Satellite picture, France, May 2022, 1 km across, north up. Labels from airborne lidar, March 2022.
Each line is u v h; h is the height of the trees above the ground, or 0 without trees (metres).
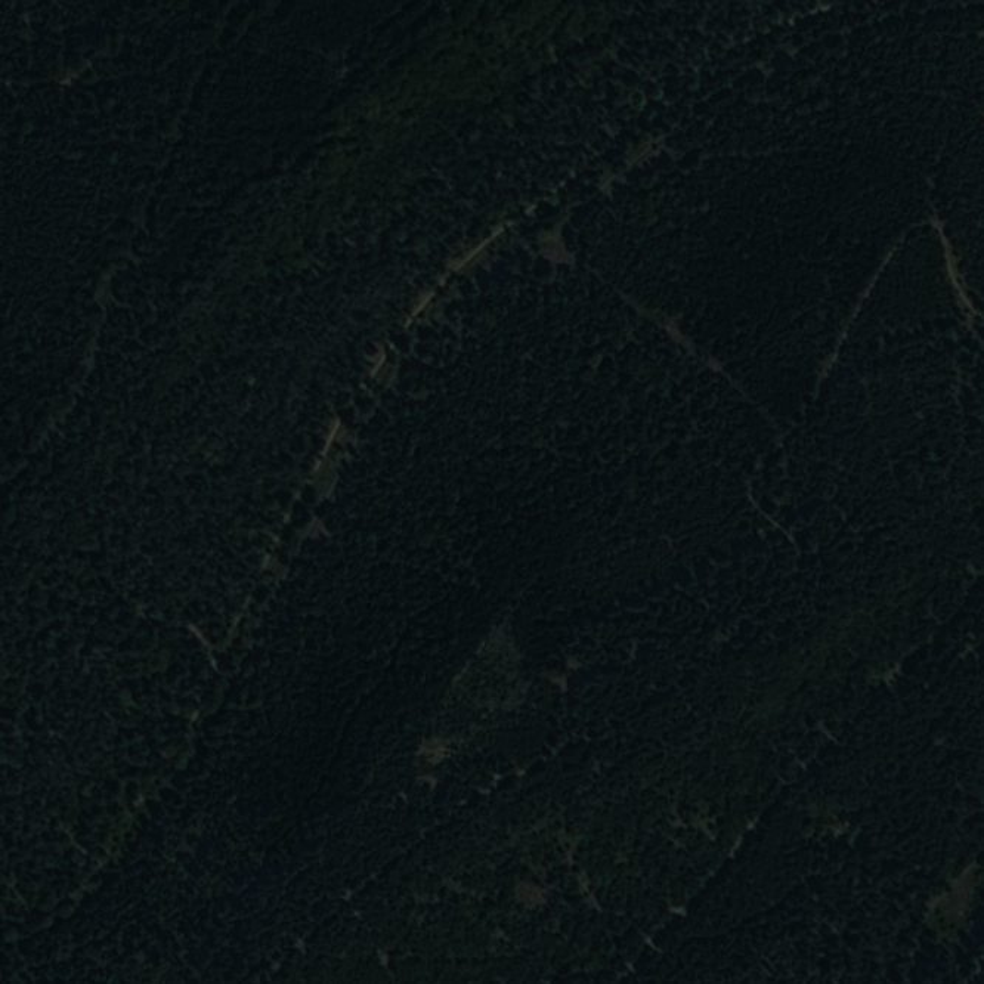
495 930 16
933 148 14
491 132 32
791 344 10
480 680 9
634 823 14
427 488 11
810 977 32
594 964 16
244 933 29
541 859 13
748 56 10
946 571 20
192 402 13
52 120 20
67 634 32
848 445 25
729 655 25
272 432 12
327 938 18
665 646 25
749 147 12
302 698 13
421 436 16
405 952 7
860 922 32
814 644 9
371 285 37
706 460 13
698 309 10
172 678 32
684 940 14
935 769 29
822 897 29
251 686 12
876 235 13
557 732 23
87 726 38
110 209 16
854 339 7
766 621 25
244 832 15
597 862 13
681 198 14
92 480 23
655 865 14
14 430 20
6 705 11
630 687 28
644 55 32
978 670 35
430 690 12
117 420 15
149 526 31
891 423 7
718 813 15
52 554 9
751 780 14
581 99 16
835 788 30
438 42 24
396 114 13
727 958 25
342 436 0
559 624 15
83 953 12
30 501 22
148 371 23
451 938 13
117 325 21
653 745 16
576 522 11
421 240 29
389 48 13
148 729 36
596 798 9
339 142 25
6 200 22
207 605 7
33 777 30
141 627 19
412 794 17
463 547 11
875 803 30
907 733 33
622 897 11
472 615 15
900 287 7
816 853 18
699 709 15
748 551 27
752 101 19
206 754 22
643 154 0
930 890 31
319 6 15
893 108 14
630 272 13
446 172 20
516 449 19
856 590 15
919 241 7
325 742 18
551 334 13
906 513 20
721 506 7
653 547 8
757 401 12
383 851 17
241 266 12
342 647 14
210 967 29
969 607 33
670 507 12
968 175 16
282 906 25
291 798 16
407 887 13
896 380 8
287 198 24
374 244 33
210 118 21
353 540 15
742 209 16
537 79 24
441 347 12
